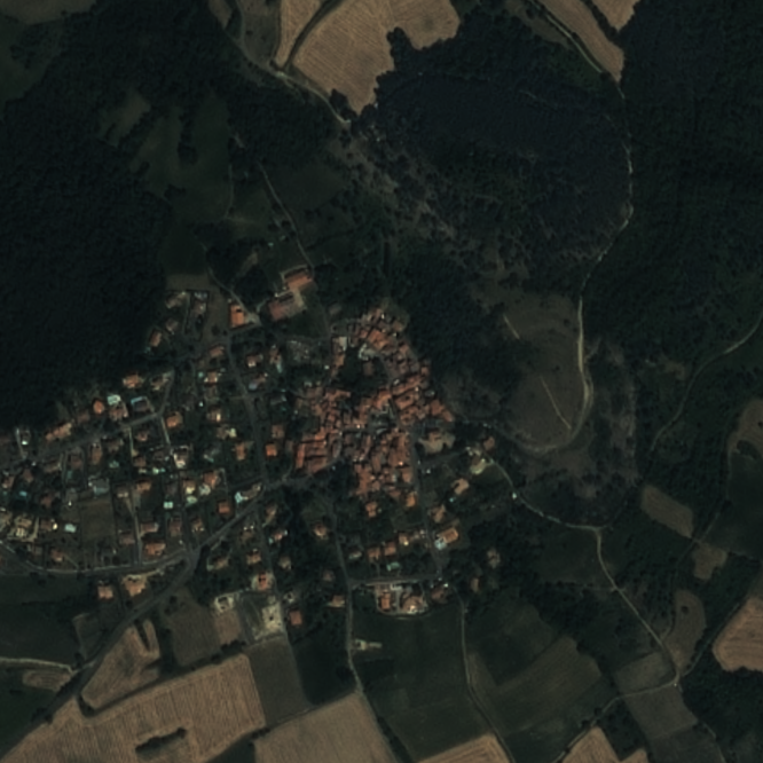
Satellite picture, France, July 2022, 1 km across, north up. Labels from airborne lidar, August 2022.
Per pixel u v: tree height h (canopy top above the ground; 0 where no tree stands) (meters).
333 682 0
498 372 5
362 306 6
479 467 0
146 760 0
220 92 20
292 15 0
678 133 17
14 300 7
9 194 13
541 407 0
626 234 12
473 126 20
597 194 16
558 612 9
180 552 0
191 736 0
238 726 0
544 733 0
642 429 6
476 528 13
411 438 0
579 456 0
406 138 15
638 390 8
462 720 0
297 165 9
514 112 19
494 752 0
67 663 0
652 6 11
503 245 8
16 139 17
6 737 0
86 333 14
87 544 0
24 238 17
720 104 12
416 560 7
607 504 6
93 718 0
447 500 7
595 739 0
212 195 0
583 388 0
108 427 9
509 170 6
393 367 0
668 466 8
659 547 6
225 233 17
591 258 7
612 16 0
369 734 0
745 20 13
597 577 0
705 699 13
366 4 0
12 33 0
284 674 0
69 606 5
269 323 12
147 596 0
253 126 15
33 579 9
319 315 0
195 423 0
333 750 0
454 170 8
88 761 0
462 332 15
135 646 0
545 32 0
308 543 10
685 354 6
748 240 10
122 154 17
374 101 0
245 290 9
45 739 0
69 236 14
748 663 0
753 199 19
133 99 0
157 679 0
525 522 7
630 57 8
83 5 0
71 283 8
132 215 15
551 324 0
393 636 0
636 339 7
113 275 28
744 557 7
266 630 0
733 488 0
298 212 0
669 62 16
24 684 0
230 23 9
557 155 10
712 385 6
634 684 0
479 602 6
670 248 11
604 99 17
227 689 0
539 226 16
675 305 9
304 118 13
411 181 10
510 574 21
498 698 0
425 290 9
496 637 0
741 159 11
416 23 0
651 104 12
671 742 0
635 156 14
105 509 0
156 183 0
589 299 10
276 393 12
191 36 28
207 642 0
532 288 7
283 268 0
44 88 9
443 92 21
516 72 18
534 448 0
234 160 16
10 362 10
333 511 6
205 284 0
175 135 0
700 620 0
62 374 11
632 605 0
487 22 19
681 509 0
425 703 0
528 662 0
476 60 12
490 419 8
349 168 8
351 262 7
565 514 6
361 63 0
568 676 0
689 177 14
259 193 0
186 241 0
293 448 10
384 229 13
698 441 9
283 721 0
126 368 11
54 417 10
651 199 13
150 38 14
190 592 0
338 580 11
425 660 0
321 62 0
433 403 0
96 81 18
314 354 6
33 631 0
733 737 7
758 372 13
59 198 14
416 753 0
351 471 5
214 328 8
